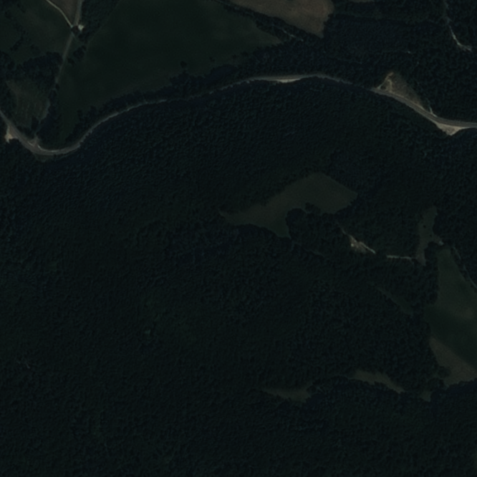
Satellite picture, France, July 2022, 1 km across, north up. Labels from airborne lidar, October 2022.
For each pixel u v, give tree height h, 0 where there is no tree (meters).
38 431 22
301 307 24
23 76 27
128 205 19
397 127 21
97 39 0
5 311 26
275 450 25
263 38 0
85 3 8
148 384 26
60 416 25
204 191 28
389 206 10
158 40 0
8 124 0
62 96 0
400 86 0
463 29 24
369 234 11
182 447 17
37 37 0
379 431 14
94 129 0
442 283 0
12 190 30
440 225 21
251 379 29
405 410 32
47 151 0
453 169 26
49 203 29
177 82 17
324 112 22
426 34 31
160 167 26
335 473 7
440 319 0
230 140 29
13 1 22
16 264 31
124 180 21
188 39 0
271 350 23
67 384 25
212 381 27
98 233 25
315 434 30
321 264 30
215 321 19
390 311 24
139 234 26
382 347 34
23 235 29
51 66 23
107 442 31
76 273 26
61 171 25
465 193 14
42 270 30
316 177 0
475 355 0
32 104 0
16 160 6
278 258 20
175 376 26
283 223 0
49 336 27
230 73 30
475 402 25
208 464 14
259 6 0
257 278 26
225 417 26
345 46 18
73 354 26
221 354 24
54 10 0
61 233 18
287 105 28
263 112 31
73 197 26
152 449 7
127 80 0
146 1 0
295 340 23
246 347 21
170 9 0
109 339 22
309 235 34
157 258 32
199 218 8
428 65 11
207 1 0
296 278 19
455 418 22
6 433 29
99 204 10
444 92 7
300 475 13
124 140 28
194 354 34
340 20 26
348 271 25
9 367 26
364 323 25
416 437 22
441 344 0
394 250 6
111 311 32
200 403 24
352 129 24
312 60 27
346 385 25
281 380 28
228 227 10
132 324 25
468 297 0
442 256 0
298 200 0
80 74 0
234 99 18
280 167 18
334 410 25
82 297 22
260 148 23
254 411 30
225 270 20
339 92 22
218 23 0
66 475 27
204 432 31
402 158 29
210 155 29
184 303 25
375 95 11
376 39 18
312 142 27
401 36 18
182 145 26
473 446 18
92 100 0
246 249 23
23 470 22
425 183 31
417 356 28
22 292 21
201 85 29
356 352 23
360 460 23
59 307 28
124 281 26
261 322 24
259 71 11
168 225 24
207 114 26
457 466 19
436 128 11
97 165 21
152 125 27
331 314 20
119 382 25
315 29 0
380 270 20
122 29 0
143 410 25
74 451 24
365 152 17
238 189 21
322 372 26
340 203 0
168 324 17
